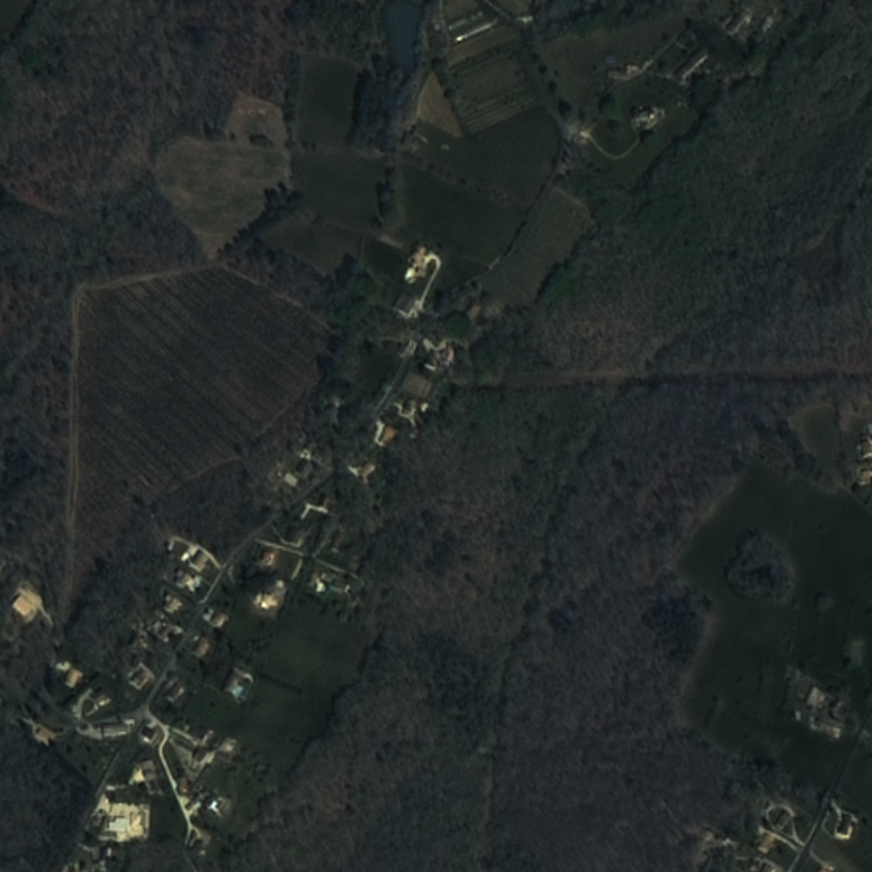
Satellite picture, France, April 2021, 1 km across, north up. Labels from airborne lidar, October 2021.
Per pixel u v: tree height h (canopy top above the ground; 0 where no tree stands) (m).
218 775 0
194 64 14
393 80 9
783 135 16
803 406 14
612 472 16
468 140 0
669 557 16
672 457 12
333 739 18
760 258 24
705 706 0
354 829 18
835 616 0
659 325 18
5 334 10
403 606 21
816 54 6
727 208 16
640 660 12
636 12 21
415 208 0
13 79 21
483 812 23
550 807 9
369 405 14
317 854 19
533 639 17
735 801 15
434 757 23
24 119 20
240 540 17
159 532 17
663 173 20
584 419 28
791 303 19
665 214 22
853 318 17
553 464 15
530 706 18
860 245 19
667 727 18
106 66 22
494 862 11
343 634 0
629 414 21
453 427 19
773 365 18
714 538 0
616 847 16
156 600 8
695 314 30
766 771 19
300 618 0
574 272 19
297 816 12
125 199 23
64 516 17
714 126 20
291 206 14
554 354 15
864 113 17
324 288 21
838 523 0
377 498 7
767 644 0
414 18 0
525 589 22
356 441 18
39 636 11
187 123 15
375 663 21
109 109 12
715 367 11
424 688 18
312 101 0
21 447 11
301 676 0
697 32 12
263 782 10
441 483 13
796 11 13
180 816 7
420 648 21
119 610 19
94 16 27
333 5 22
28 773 15
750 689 0
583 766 7
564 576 16
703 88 18
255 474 19
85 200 15
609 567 14
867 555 0
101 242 13
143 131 18
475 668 20
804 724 9
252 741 0
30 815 23
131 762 5
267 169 0
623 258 21
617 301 17
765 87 18
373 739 16
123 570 12
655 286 19
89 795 19
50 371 8
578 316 22
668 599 17
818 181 18
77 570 0
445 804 17
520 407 22
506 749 14
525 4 0
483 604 16
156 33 26
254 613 0
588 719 13
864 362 8
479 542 19
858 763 0
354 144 16
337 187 0
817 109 16
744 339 14
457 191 0
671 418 13
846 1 21
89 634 23
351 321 21
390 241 0
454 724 18
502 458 19
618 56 0
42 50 24
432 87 0
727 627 0
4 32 0
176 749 0
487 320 7
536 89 0
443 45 14
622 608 14
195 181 0
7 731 22
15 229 26
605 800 10
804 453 17
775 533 0
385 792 15
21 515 7
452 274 0
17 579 15
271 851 21
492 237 0
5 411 15
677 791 18
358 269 22
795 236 21
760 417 14
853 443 0
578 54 0
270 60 12
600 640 16
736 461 13
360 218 0
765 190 23
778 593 14
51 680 19
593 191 12
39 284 17
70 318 18
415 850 12
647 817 11
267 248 11
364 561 6
